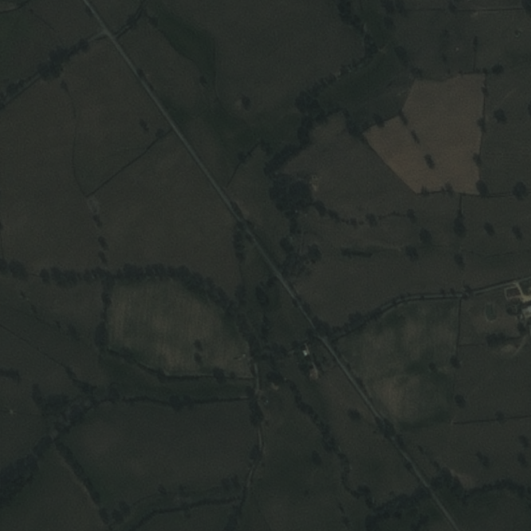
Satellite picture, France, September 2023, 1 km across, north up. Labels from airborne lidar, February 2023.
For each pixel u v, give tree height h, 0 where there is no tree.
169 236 0
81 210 0
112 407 0
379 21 0
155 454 0
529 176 0
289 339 0
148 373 7
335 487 0
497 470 0
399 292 0
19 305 0
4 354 0
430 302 0
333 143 0
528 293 0
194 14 0
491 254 0
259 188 0
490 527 0
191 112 0
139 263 0
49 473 0
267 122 0
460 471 0
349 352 0
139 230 0
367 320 11
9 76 0
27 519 0
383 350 0
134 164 0
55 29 0
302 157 0
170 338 0
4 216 0
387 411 0
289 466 0
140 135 0
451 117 0
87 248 0
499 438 0
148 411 0
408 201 0
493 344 14
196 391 0
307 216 0
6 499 20
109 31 0
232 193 0
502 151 0
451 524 0
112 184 0
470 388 0
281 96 0
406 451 0
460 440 0
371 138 0
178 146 0
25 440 0
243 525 0
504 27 0
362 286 0
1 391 0
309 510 0
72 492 0
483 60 0
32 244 0
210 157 0
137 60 0
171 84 0
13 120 0
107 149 0
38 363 0
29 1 0
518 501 0
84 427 0
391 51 0
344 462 7
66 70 0
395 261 0
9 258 0
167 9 0
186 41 0
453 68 0
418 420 0
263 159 0
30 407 0
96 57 0
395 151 0
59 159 0
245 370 0
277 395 0
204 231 0
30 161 0
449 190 15
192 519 0
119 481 0
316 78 0
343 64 0
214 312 0
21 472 20
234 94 0
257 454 16
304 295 0
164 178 0
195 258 0
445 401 0
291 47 0
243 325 21
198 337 0
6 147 0
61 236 0
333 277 0
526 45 0
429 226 0
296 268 11
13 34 0
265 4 0
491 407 0
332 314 0
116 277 6
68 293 0
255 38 0
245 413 0
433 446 0
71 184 0
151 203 0
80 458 0
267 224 0
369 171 0
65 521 0
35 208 0
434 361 0
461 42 0
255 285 0
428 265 0
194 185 0
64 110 0
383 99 0
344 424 0
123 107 0
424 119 0
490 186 0
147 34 0
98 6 0
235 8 0
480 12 0
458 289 0
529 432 0
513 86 0
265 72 0
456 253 0
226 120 0
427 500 13
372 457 0
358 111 0
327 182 0
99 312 0
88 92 0
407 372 0
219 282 0
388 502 7
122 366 0
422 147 0
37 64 0
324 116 20
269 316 0
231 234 0
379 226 0
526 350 0
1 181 0
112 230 0
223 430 0
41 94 0
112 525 7
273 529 0
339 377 0
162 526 0
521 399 0
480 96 0
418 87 0
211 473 0
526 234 0
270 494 0
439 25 0
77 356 0
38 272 0
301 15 0
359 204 0
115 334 0
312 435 0
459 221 7
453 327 0
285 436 0
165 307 0
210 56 0
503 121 14
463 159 0
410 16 0
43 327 0
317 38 0
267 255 0
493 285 0
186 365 0
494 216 0
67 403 17
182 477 0
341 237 0
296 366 0
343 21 14
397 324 0
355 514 0
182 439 0
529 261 0
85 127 0
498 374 0
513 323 0
